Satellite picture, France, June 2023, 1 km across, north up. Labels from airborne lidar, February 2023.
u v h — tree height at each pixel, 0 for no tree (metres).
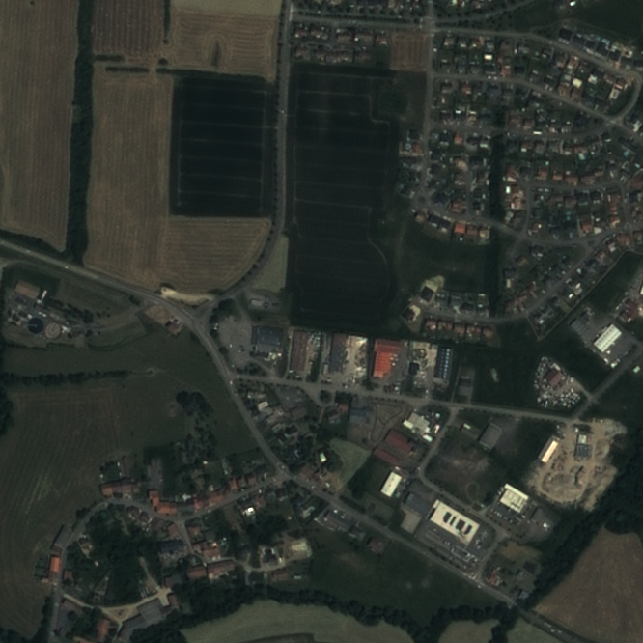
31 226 0
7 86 0
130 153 0
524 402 0
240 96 0
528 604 16
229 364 0
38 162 0
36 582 0
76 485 0
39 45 0
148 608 0
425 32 0
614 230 0
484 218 0
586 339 0
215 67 0
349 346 0
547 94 0
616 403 0
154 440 0
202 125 0
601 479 0
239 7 0
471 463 0
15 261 0
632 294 0
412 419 0
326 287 0
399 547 0
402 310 0
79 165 6
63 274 0
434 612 0
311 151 0
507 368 0
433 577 0
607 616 0
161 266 0
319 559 0
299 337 0
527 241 0
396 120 0
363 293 0
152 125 0
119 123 0
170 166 0
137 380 0
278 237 0
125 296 0
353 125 0
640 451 13
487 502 7
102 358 0
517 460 0
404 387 0
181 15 0
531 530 0
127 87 0
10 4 0
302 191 0
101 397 0
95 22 0
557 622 0
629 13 0
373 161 0
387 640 0
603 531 0
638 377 0
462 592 0
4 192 0
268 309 0
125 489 0
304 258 0
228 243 0
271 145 0
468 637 0
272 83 0
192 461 10
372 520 0
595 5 0
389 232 0
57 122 0
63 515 0
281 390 0
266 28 0
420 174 0
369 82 0
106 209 0
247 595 22
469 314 0
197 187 0
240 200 0
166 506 0
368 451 0
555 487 0
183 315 0
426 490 0
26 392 0
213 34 0
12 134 0
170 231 0
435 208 0
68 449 0
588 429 0
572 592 0
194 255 0
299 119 0
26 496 0
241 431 0
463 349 0
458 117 0
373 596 0
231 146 0
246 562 0
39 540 0
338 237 0
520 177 0
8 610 0
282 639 0
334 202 0
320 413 0
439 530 0
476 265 0
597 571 0
